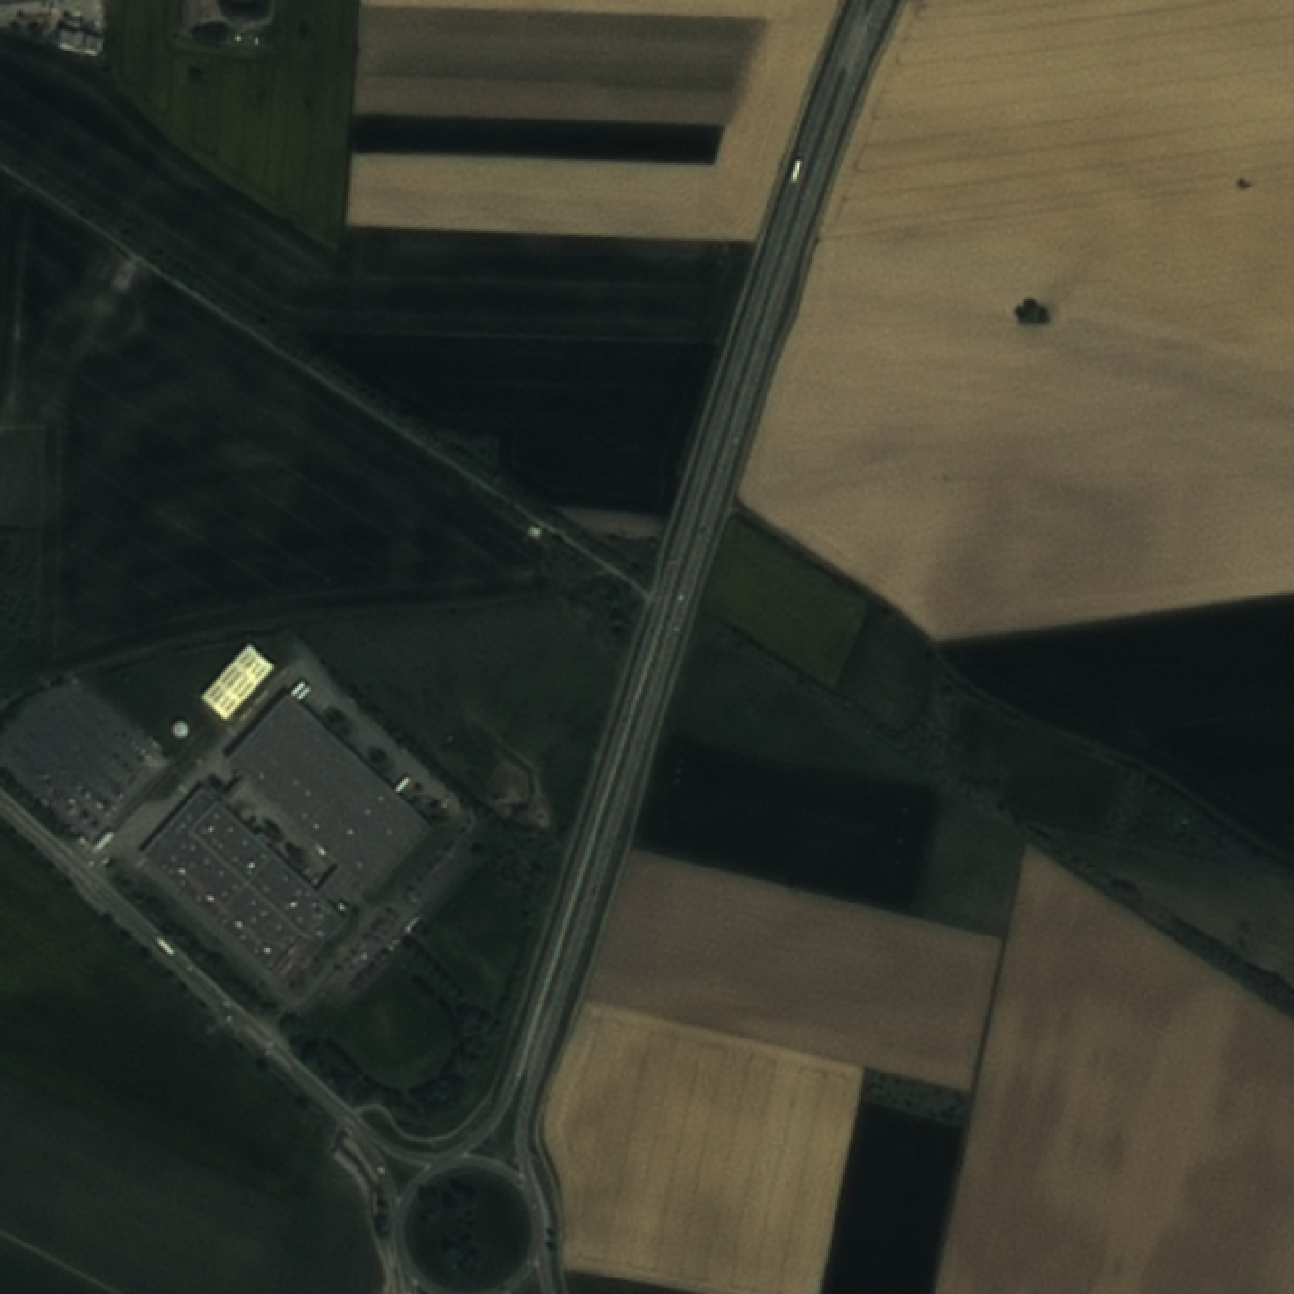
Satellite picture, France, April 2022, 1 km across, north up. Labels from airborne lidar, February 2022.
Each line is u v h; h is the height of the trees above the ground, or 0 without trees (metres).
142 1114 0
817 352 0
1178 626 0
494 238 0
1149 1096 0
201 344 0
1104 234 0
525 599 0
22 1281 0
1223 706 0
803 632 0
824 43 0
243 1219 0
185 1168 0
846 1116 0
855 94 0
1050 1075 0
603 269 0
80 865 0
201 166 0
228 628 0
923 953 0
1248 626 0
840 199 0
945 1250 0
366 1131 0
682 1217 0
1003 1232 0
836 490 0
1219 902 0
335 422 0
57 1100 0
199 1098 0
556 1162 0
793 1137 0
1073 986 0
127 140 0
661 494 0
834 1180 0
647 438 0
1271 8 0
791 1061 0
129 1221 0
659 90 0
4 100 0
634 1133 0
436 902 0
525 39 0
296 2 0
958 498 0
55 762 0
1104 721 0
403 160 0
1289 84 0
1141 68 0
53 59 0
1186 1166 0
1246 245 0
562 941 0
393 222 0
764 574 0
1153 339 0
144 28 0
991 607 0
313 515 0
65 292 0
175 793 0
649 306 0
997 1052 0
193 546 0
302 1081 0
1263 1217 0
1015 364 0
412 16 0
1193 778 0
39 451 0
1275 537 0
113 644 0
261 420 0
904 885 0
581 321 0
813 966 0
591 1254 0
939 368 0
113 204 0
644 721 0
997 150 0
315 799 0
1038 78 0
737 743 0
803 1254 0
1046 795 0
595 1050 0
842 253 0
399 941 0
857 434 0
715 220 0
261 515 0
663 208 0
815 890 0
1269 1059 0
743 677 0
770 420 0
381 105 0
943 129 0
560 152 0
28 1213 0
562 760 0
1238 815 0
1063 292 0
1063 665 0
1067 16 0
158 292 0
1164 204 0
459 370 0
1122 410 0
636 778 0
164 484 0
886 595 0
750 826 0
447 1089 9
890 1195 0
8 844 0
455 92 0
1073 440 0
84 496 0
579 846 0
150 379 0
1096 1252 0
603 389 0
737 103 0
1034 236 0
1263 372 0
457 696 0
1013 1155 0
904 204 0
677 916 0
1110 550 0
